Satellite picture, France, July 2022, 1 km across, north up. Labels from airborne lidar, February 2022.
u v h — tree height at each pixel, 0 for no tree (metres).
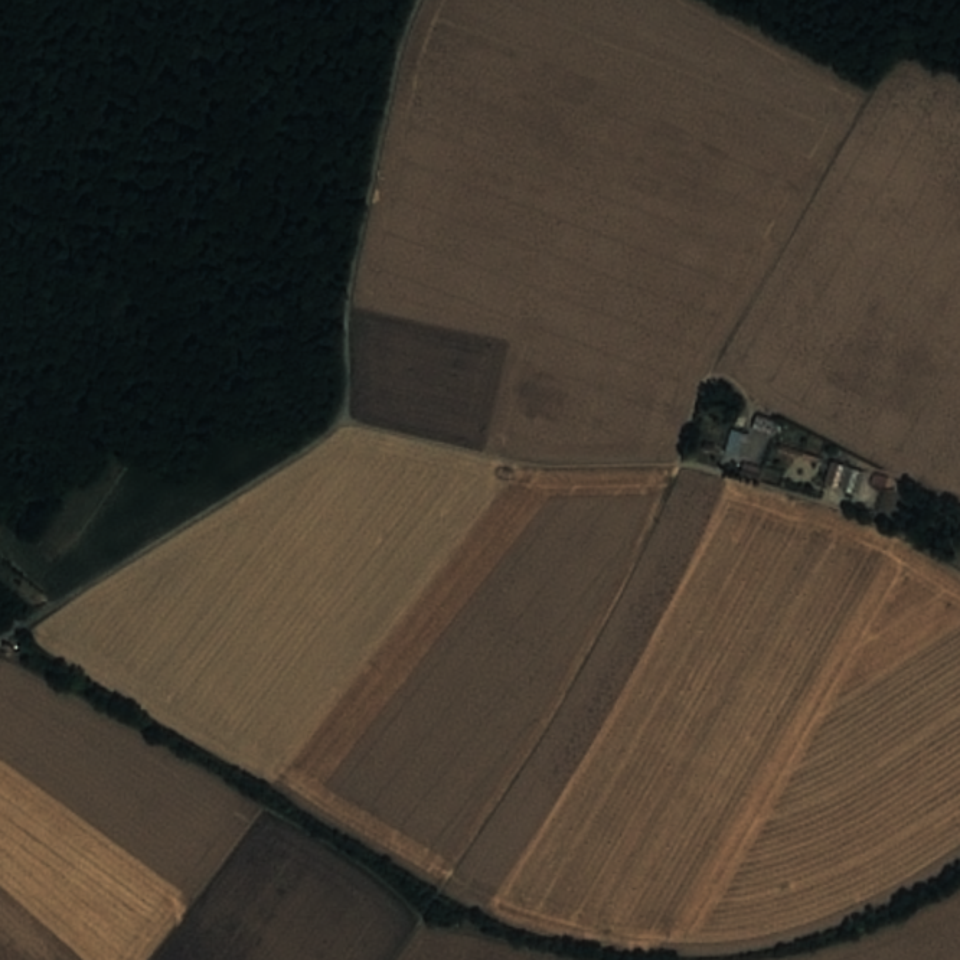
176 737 13
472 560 0
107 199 15
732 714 0
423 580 0
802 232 0
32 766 0
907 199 0
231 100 24
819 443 0
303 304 23
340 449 0
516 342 0
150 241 27
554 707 0
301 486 0
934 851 0
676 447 0
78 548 0
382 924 0
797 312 0
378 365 0
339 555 0
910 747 0
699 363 0
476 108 0
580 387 0
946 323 0
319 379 25
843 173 0
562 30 0
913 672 0
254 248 12
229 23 23
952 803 0
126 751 0
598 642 0
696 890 0
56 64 23
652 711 0
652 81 0
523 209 0
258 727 0
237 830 0
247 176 26
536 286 0
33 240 22
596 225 0
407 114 0
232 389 27
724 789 0
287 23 23
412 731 0
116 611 0
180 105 31
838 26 22
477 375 0
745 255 0
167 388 26
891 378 0
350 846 9
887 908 8
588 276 0
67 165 22
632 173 0
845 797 0
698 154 0
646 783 0
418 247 0
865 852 0
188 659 0
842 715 0
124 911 0
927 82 0
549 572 0
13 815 0
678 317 0
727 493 0
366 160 22
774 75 0
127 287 22
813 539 0
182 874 0
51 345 24
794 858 0
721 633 0
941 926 0
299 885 0
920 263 0
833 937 9
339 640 0
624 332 0
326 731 0
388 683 0
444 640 0
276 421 21
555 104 0
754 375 0
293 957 0
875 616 0
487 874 0
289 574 0
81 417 23
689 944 0
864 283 0
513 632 0
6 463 23
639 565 0
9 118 21
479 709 0
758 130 0
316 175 24
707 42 0
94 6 25
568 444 0
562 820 0
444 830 0
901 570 0
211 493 0
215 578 0
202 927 0
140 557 0
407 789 0
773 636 0
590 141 0
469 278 0
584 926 0
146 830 0
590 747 0
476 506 0
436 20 0
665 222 0
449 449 0
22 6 22
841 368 0
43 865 0
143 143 24
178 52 26
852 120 0
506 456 0
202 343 27
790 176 0
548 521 0
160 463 20
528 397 0
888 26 25
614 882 0
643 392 0
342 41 27
